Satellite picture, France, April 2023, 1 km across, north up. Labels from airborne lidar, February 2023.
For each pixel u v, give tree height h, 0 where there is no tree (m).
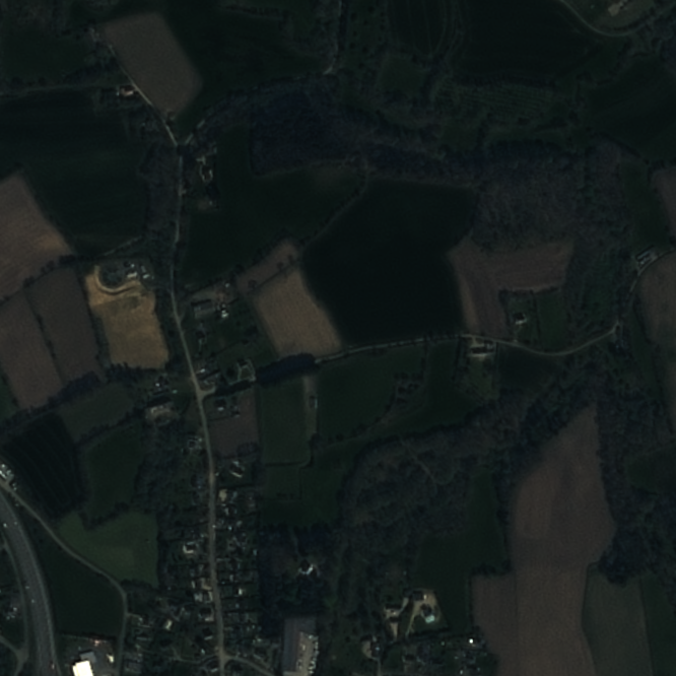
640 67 0
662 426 17
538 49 0
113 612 0
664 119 0
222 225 0
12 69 0
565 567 0
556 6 0
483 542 0
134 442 0
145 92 0
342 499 19
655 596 0
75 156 0
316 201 0
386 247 0
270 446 0
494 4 0
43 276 9
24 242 0
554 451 0
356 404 0
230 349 0
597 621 0
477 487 0
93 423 0
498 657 0
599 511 0
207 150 11
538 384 0
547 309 0
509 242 18
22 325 0
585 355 0
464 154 0
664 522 25
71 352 0
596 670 0
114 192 0
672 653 0
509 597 0
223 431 0
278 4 0
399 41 0
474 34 0
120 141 0
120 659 0
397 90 0
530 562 0
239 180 0
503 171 26
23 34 0
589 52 0
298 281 0
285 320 0
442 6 0
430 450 14
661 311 0
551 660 0
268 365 0
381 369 0
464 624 0
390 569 23
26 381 0
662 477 0
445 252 0
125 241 0
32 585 0
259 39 0
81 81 16
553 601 0
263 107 11
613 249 9
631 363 18
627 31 8
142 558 0
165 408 0
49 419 0
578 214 23
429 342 14
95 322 8
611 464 17
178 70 0
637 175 0
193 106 0
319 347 0
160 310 10
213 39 0
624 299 14
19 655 0
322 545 26
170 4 0
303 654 0
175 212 26
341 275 0
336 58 13
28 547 0
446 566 0
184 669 0
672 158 0
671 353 0
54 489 0
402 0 0
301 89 10
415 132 0
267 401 0
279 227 0
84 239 0
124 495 0
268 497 0
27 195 0
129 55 0
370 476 11
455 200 0
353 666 0
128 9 0
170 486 13
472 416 7
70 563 0
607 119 0
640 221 0
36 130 0
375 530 18
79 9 0
